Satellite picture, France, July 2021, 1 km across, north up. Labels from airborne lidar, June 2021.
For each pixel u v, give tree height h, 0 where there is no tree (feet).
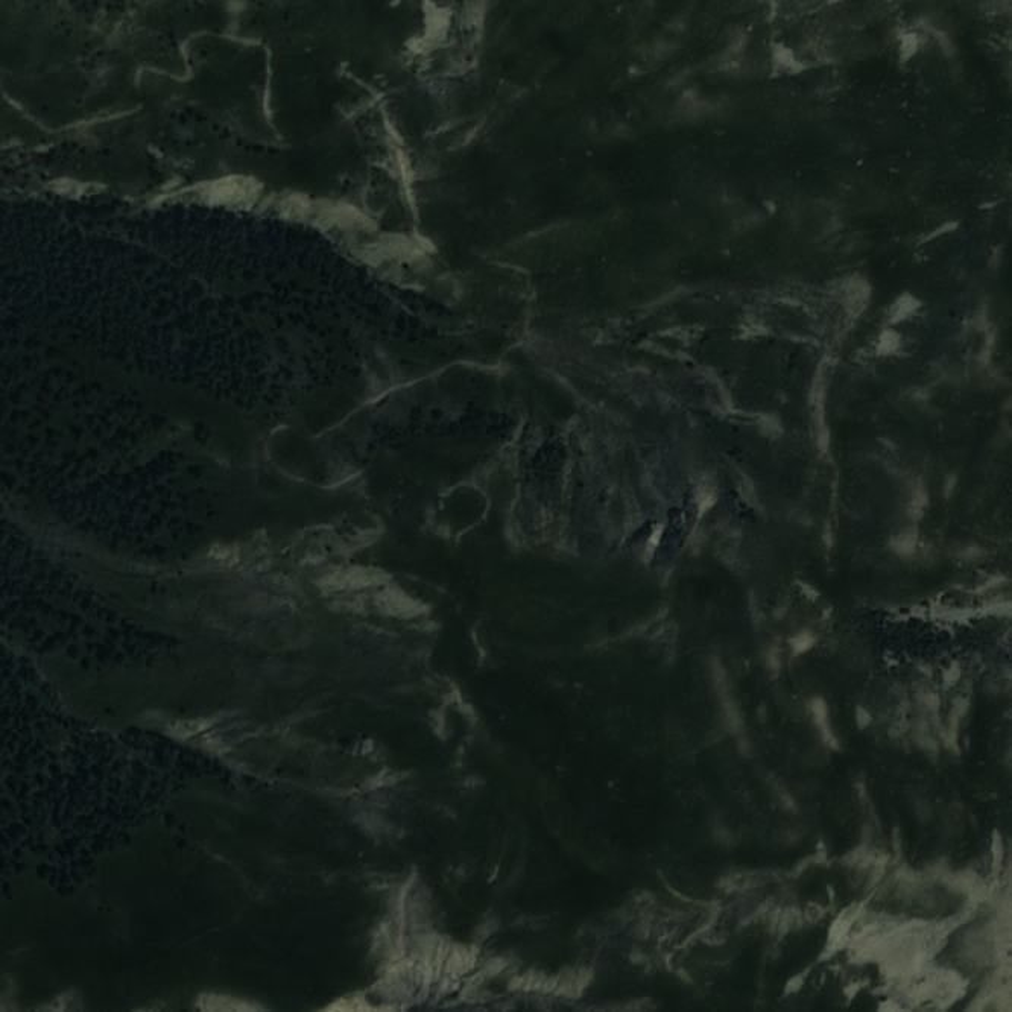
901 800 0
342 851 0
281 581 0
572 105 0
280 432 0
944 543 0
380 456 0
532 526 0
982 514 0
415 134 0
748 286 0
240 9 0
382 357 0
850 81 0
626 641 0
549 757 0
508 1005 0
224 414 0
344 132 0
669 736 0
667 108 0
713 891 0
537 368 0
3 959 0
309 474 0
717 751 0
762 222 0
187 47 0
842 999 0
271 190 0
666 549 0
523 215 0
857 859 0
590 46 0
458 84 0
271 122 0
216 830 0
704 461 0
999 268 0
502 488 0
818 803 0
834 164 0
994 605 0
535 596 0
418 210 0
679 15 0
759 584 0
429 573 0
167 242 84
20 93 0
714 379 0
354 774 0
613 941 0
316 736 0
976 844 0
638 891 0
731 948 0
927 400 0
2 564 33
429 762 0
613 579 0
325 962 0
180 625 0
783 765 0
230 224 46
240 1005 0
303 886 0
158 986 0
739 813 0
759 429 0
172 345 57
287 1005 0
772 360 0
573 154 0
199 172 0
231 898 0
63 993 0
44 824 81
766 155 0
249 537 0
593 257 0
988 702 0
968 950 0
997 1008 0
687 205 0
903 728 0
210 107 0
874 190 0
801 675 0
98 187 0
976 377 0
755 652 0
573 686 0
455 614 0
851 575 0
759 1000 0
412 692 0
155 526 67
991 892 0
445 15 0
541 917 0
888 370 0
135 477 23
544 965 0
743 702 0
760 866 0
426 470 0
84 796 95
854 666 0
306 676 0
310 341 20
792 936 0
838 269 0
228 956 0
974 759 0
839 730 0
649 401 0
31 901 0
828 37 0
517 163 0
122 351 67
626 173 0
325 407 0
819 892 0
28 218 48
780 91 0
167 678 0
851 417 0
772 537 0
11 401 32
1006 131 0
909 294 0
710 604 0
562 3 0
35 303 84
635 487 0
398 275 0
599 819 0
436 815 0
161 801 59
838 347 0
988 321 0
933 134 0
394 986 0
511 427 29
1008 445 0
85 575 0
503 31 0
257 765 0
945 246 0
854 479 0
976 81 0
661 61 0
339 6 0
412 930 0
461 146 0
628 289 0
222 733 0
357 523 0
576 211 0
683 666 0
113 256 92
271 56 0
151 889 0
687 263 0
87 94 0
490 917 0
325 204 0
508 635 0
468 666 0
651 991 0
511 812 0
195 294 67
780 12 0
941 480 0
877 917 0
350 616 0
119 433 29
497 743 0
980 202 0
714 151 0
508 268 0
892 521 0
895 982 0
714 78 0
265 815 0
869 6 0
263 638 0
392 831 0
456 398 0
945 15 0
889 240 0
